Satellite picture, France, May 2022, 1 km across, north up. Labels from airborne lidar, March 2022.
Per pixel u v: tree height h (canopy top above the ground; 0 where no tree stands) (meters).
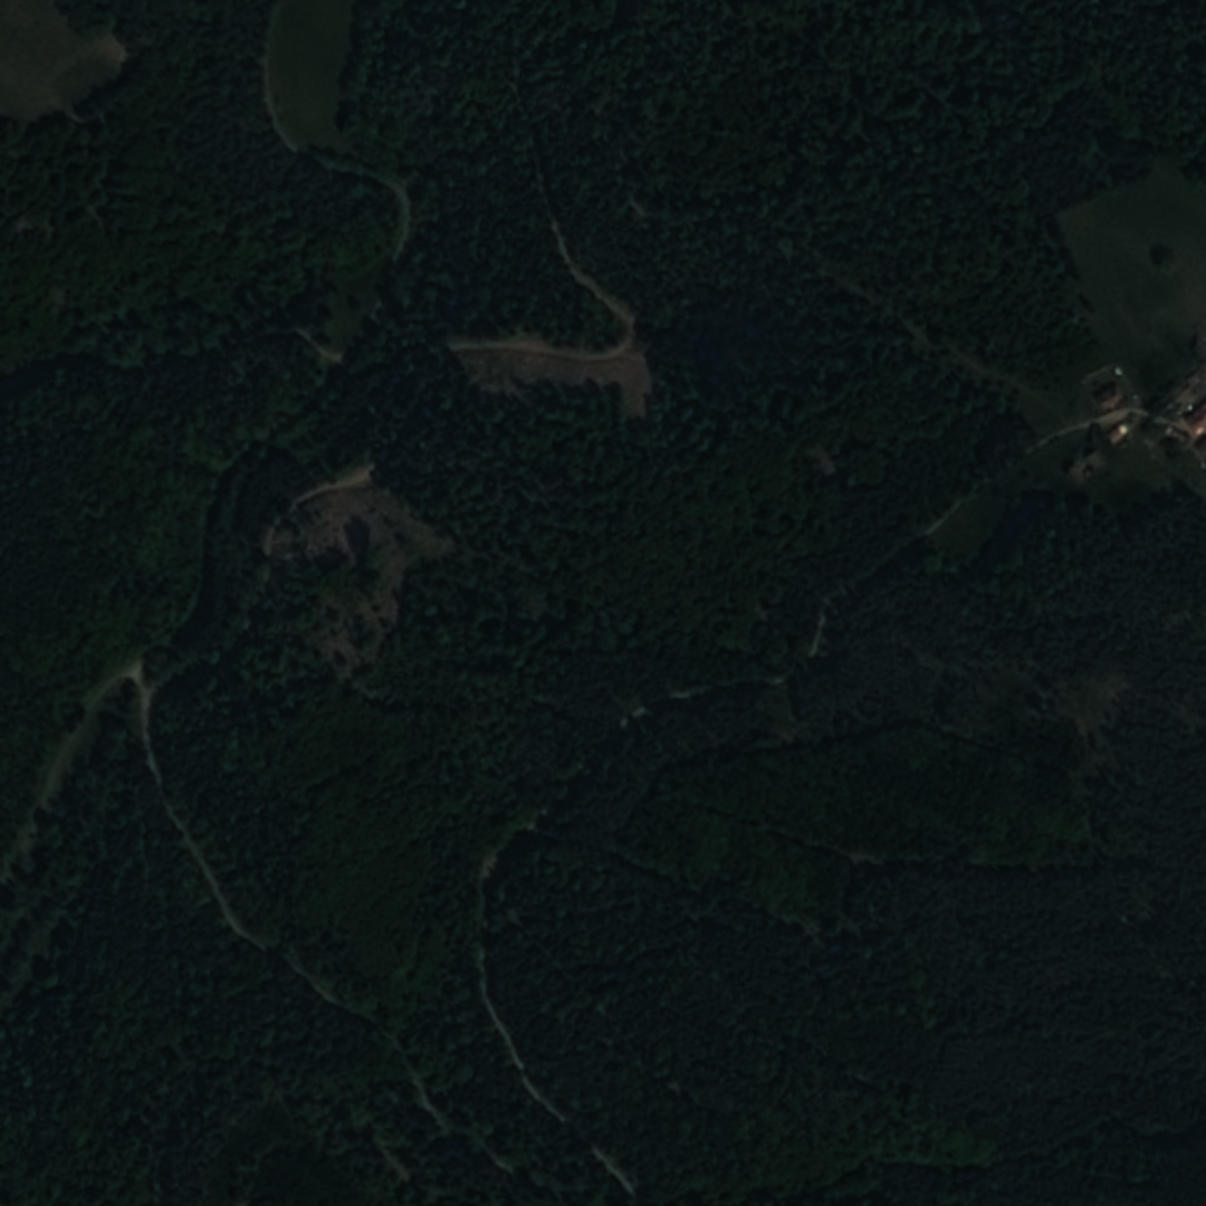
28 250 12
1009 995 27
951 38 22
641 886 21
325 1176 11
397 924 12
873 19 26
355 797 19
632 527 21
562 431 13
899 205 31
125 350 22
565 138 24
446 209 26
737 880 18
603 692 29
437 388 34
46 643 14
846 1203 9
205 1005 27
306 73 0
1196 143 23
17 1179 25
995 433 27
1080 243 0
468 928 21
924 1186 25
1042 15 32
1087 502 15
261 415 21
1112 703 0
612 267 23
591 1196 25
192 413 25
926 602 31
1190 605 28
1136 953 28
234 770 20
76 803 22
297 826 17
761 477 23
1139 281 0
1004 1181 25
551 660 22
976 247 26
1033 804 17
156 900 19
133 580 10
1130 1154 25
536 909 24
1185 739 24
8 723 12
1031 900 28
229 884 24
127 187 17
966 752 13
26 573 16
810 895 12
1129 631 25
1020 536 26
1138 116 21
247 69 22
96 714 0
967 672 25
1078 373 0
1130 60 25
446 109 24
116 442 17
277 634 10
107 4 28
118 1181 23
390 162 19
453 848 26
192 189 22
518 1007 21
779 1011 22
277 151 27
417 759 25
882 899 25
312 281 34
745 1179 22
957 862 25
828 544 21
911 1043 20
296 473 37
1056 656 24
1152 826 23
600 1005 16
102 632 21
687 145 10
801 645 20
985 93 29
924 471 23
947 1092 21
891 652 25
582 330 27
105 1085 24
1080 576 26
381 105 16
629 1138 24
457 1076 25
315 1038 25
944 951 28
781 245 29
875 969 27
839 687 28
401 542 0
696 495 21
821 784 15
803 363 25
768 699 25
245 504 24
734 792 14
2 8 0
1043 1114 26
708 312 32
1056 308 7
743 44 24
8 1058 14
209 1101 25
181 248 16
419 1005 19
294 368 22
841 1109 23
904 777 17
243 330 34
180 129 25
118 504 17
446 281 31
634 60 29
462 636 6
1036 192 21
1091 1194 19
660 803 12
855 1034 21
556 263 26
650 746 27
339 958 21
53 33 0
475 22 25
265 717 24
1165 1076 18
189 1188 24
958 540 0
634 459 13
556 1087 18
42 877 20
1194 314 0
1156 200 0
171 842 22
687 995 26
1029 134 27
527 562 34
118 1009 23
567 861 20
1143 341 0
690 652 21
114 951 18
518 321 21
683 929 23
